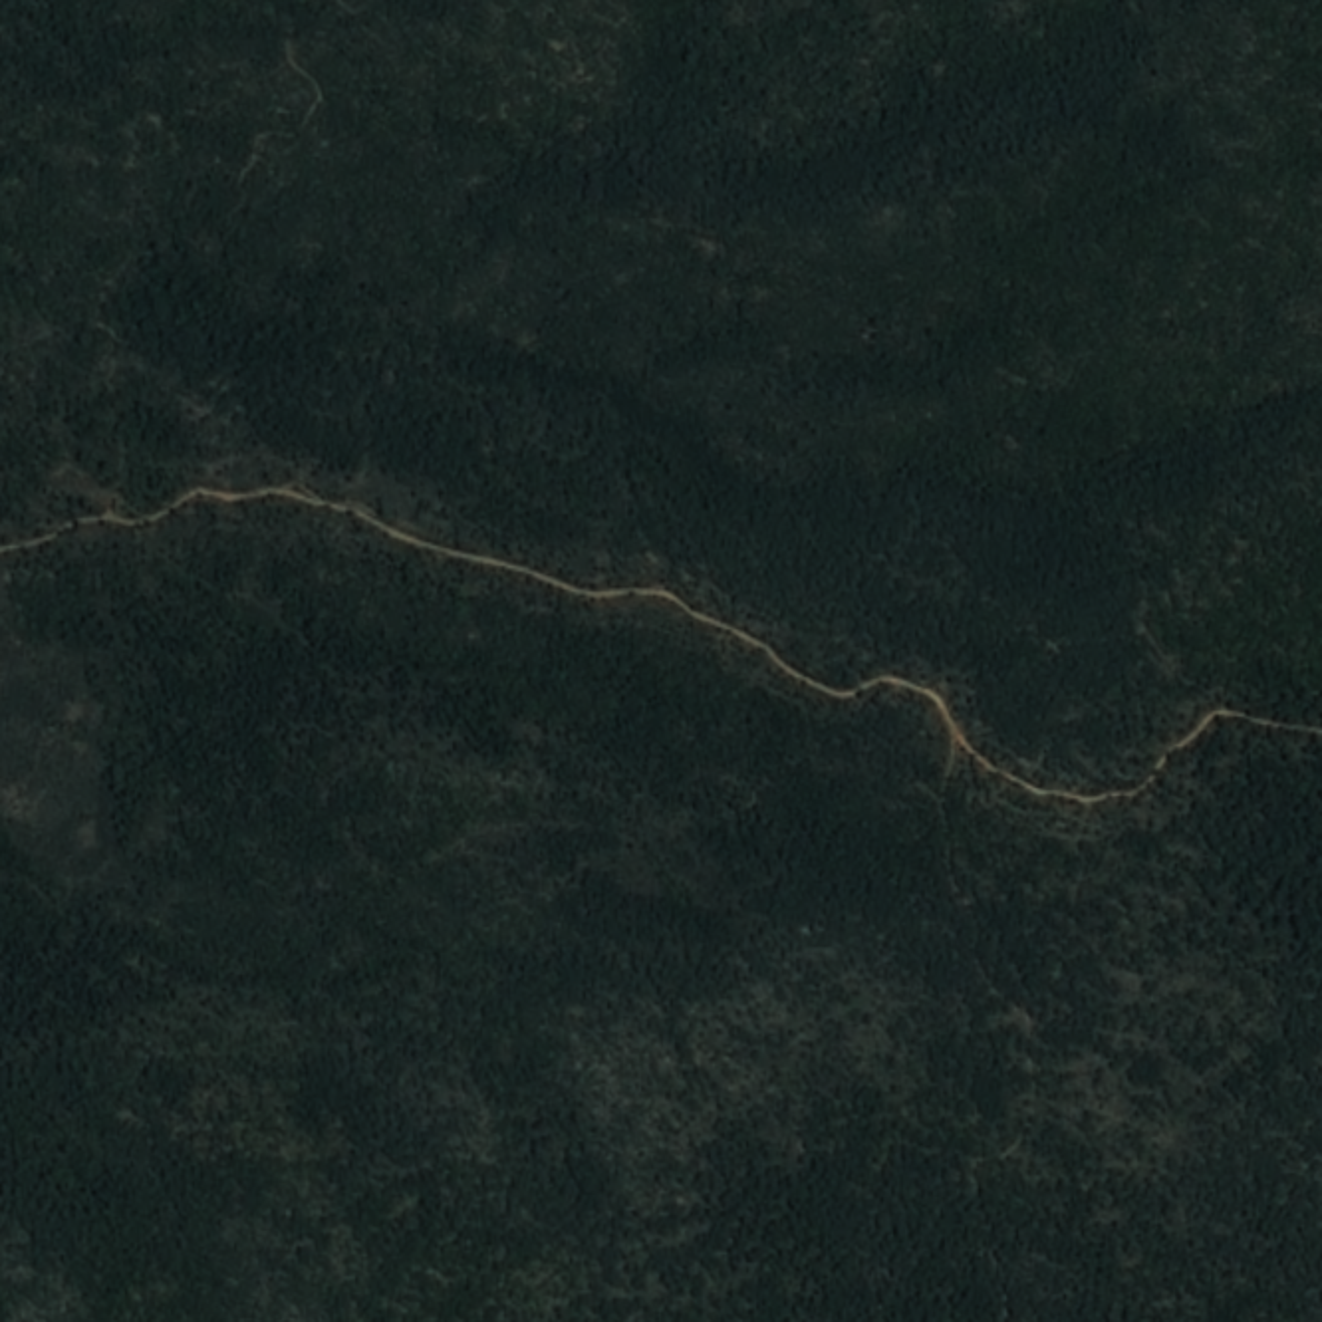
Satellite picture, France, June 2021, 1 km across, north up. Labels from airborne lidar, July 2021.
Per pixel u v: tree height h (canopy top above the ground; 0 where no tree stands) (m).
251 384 6
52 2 9
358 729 8
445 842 6
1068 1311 7
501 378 8
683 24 7
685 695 6
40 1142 6
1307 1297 9
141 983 9
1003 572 8
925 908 8
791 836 10
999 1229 10
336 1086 7
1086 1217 7
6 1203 7
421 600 7
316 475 7
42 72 6
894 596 9
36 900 8
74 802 0
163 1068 8
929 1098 7
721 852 8
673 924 9
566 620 7
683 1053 6
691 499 10
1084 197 6
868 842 7
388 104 7
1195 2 7
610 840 5
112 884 0
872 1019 8
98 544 6
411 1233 9
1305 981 12
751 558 8
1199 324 7
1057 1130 7
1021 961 7
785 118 8
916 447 7
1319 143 6
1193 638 6
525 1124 9
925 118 11
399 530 0
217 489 0
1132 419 7
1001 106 9
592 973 9
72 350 6
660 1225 6
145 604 9
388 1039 7
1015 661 9
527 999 6
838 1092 7
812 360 6
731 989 5
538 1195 6
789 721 7
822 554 7
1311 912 9
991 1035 6
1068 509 7
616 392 7
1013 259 6
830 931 6
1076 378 6
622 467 8
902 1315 9
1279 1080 8
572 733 8
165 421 7
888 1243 9
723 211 8
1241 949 7
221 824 7
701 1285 6
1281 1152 7
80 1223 8
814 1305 11
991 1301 10
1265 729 7
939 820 5
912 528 7
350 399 8
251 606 0
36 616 6
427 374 6
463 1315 6
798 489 10
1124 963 6
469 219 7
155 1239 6
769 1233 11
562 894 6
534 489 6
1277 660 6
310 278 6
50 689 0
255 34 6
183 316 12
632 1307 8
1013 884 6
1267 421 8
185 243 7
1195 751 9
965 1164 8
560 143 8
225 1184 7
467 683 8
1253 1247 6
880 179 8
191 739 10
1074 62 7
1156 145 7
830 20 6
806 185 8
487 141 6
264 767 9
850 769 6
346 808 6
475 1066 8
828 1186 9
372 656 9
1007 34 7
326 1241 8
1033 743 8
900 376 7
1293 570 7
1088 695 8
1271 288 8
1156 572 6
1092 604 7
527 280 0
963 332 7
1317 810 9
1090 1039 7
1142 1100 7
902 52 8
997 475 6
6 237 7
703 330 9
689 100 10
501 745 7
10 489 6
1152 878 6
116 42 6
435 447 10
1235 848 12
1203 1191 6
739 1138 11
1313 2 7
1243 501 6
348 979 6
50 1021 6
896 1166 8
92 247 7
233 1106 6
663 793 7
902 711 7
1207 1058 7
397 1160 6
